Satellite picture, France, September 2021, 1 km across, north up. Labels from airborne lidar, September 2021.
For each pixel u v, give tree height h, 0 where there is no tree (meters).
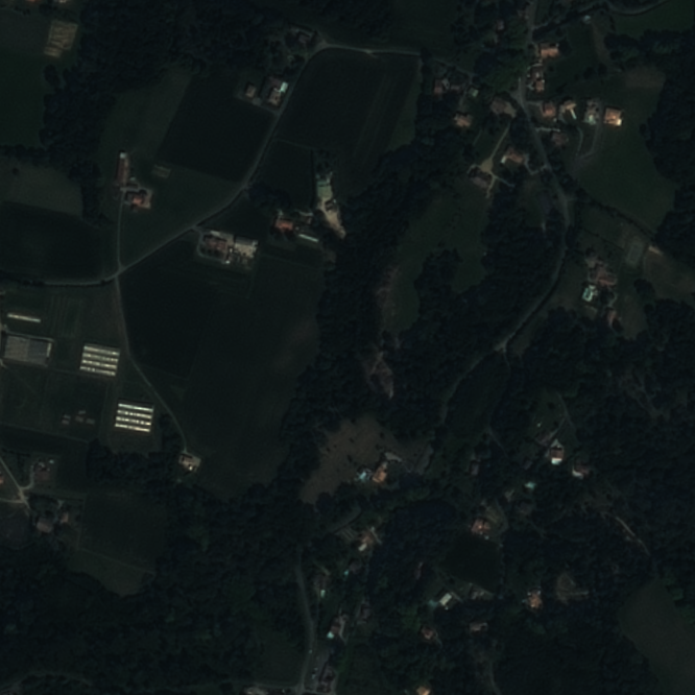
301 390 11
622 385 23
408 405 31
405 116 0
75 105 24
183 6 25
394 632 7
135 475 19
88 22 18
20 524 0
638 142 0
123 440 0
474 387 12
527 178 10
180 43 23
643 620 0
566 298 0
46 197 0
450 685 25
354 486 0
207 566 10
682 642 0
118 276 0
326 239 14
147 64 28
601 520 20
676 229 22
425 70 9
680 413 12
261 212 14
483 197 0
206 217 0
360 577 14
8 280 20
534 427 0
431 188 25
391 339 16
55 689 8
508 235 33
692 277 0
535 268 33
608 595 14
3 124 0
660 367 20
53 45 0
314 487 0
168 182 0
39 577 11
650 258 0
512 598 8
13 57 0
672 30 0
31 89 0
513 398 24
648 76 0
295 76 8
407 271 0
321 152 7
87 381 0
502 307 29
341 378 10
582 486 13
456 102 16
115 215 0
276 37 9
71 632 28
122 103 0
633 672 28
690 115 33
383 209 25
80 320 0
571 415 7
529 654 6
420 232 0
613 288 6
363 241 21
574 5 7
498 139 0
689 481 26
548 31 9
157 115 0
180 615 22
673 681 0
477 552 0
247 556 17
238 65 24
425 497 26
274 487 11
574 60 0
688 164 29
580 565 28
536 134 0
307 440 19
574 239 17
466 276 0
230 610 23
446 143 32
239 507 7
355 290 24
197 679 30
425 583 13
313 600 8
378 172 11
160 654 12
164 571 20
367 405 20
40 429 0
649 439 25
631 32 0
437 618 15
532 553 29
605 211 9
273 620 10
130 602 8
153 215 0
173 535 7
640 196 0
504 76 27
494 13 13
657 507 29
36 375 0
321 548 22
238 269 0
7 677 7
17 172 8
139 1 27
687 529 28
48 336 0
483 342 27
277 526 25
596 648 32
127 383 0
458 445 0
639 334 0
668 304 9
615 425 19
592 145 0
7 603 11
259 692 0
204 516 16
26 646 23
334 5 25
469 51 8
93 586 11
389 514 13
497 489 14
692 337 10
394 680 13
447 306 19
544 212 0
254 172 0
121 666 27
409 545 15
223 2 25
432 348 27
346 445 0
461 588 0
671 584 21
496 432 20
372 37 17
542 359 27
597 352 25
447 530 26
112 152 0
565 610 22
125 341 0
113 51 23
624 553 25
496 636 14
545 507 16
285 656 0
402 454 0
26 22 0
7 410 0
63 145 22
